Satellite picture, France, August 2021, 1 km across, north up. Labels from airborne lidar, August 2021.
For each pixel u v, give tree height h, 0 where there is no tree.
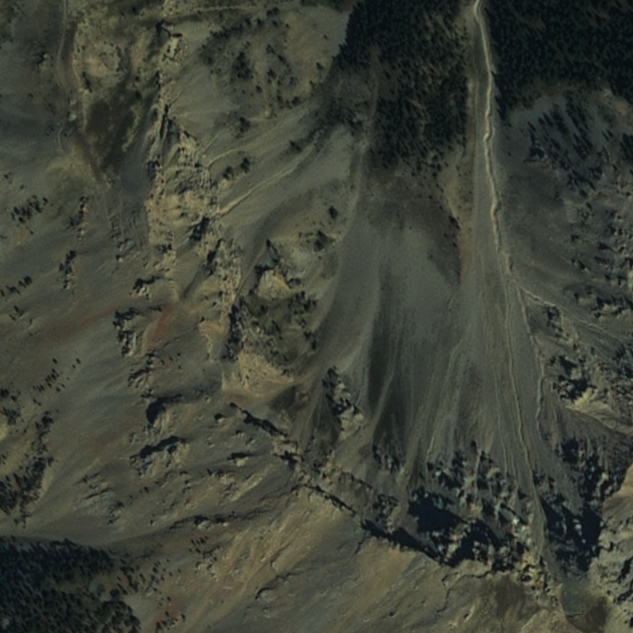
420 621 0
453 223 9
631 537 0
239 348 0
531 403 0
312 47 0
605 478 0
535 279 0
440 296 0
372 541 0
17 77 0
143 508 0
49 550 0
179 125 0
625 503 0
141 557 0
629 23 23
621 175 0
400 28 17
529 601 0
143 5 0
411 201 0
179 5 0
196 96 0
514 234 0
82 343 0
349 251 0
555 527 0
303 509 0
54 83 0
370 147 0
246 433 0
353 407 0
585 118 6
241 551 0
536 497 0
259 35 0
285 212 0
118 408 0
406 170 0
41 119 0
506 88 25
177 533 0
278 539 0
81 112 0
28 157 0
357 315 0
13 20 0
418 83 14
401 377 0
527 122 0
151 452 0
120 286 0
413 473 0
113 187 0
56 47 0
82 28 0
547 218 0
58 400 0
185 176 0
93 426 0
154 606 0
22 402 0
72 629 14
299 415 0
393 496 0
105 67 0
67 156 0
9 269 0
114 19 0
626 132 0
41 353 0
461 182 0
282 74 0
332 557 0
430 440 0
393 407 0
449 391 0
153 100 0
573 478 0
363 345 0
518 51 22
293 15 0
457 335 0
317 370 0
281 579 0
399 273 0
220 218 0
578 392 0
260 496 0
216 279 0
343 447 0
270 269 0
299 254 0
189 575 0
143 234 0
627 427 0
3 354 0
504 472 0
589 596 0
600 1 18
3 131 0
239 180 0
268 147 0
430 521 0
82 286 0
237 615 0
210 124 0
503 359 0
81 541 0
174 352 0
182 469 0
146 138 0
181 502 0
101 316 0
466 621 0
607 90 0
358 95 0
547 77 16
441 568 0
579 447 0
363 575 0
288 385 0
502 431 0
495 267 0
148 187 0
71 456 0
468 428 0
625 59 16
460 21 0
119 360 0
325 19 0
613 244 0
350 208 0
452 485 0
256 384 0
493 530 0
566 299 0
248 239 0
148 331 0
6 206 0
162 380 0
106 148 0
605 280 0
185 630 0
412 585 0
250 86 0
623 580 0
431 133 8
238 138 0
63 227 0
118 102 0
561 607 0
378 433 0
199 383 0
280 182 0
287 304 0
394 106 13
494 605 0
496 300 0
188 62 0
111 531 0
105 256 0
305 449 0
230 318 0
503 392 0
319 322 0
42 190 0
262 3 0
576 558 0
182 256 0
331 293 0
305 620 0
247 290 0
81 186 0
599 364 0
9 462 0
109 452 0
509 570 0
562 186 0
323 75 0
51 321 0
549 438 0
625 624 0
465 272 0
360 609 0
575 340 0
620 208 0
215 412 0
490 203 0
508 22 13
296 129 0
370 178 0
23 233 0
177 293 0
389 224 0
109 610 11
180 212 0
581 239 0
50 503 0
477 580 0
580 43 19
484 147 0
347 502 0
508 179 0
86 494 0
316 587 0
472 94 0
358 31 15
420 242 0
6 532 0
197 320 0
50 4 0
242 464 0
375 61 0
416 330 0
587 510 0
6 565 14
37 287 0
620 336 0
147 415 0
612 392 0
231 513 0
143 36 0
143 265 0
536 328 0
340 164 0
